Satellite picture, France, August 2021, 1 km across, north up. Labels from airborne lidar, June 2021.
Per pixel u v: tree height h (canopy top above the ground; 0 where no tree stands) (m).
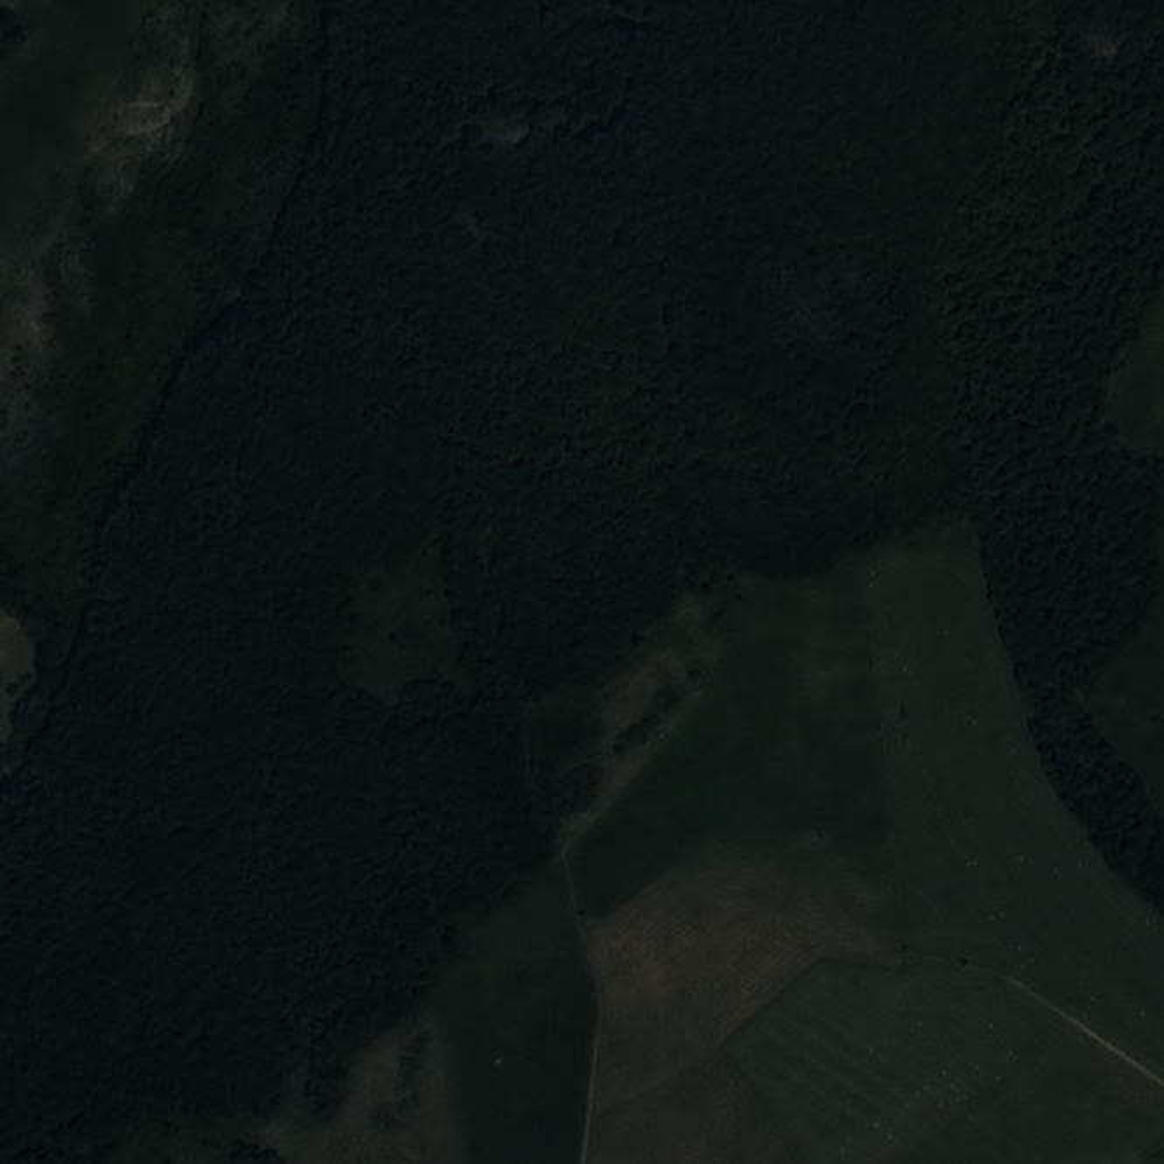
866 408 12
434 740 17
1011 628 18
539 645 16
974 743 0
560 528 15
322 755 14
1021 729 0
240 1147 7
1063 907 0
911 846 0
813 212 12
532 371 15
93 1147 12
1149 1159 0
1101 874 0
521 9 16
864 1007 0
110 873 19
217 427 17
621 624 16
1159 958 0
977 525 21
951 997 0
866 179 12
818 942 0
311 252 15
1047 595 19
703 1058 0
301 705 16
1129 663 0
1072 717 18
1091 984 0
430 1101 0
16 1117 20
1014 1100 0
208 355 19
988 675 0
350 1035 19
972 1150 0
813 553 14
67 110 0
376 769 12
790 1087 0
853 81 9
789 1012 0
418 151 16
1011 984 0
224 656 16
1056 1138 0
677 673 0
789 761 0
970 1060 0
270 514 15
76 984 18
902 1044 0
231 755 15
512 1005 0
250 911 12
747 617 0
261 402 13
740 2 12
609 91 19
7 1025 18
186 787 18
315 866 17
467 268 14
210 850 20
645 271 21
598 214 19
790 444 13
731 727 0
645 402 16
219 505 14
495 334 17
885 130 9
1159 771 0
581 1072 0
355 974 16
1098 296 18
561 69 19
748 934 0
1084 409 16
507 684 15
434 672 0
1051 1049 0
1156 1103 0
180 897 18
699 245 14
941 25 10
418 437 14
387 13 16
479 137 15
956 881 0
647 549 13
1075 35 7
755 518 13
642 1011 0
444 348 14
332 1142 0
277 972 18
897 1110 0
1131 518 20
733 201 11
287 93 7
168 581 21
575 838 0
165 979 19
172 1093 20
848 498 13
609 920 0
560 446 17
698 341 16
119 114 0
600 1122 0
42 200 0
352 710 13
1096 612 22
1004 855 0
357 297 20
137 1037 17
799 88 9
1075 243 21
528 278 14
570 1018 0
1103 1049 0
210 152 11
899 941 0
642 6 22
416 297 16
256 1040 21
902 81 9
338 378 15
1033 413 15
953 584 0
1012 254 15
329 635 14
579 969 0
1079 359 16
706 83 14
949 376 15
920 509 18
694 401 18
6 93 0
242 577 16
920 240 13
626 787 0
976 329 20
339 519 15
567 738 0
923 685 0
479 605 12
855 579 0
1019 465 18
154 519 19
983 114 10
